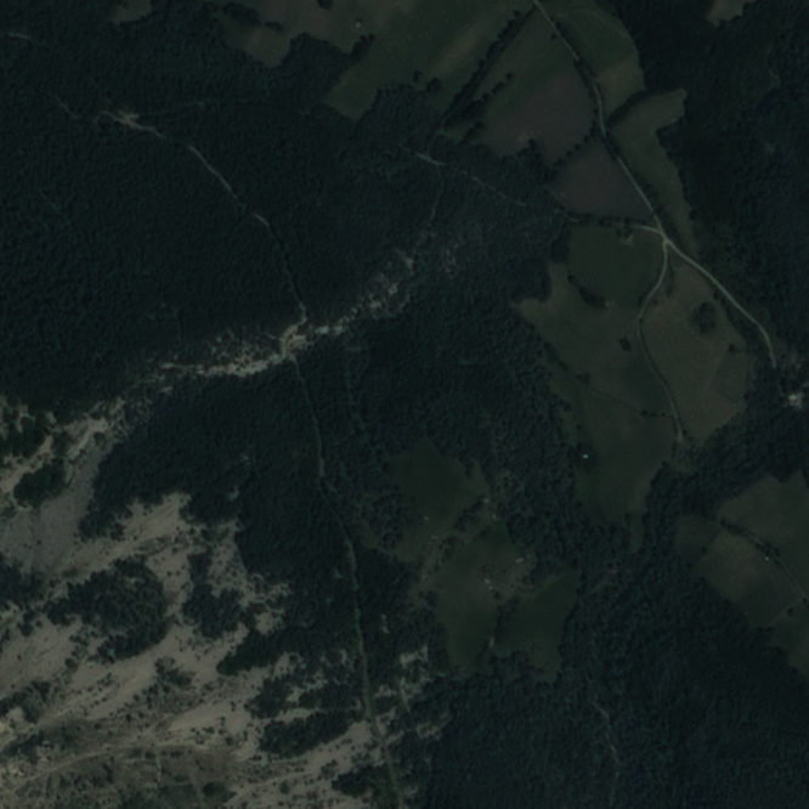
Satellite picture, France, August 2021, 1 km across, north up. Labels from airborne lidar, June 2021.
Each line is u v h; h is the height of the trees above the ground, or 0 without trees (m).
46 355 25
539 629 0
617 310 0
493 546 0
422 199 13
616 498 0
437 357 21
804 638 0
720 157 12
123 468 17
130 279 18
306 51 18
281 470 12
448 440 13
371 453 13
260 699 8
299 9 0
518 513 9
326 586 11
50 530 0
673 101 0
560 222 10
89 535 8
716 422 0
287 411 10
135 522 0
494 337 20
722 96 19
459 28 0
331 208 21
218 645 0
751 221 12
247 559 16
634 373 0
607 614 20
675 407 0
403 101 10
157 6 11
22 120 20
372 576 11
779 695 15
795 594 0
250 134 14
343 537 14
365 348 9
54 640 0
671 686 13
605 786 12
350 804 0
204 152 14
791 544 0
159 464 14
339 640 10
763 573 0
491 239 8
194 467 14
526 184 9
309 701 15
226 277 18
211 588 7
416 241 10
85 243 20
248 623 11
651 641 12
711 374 0
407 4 0
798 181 19
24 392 12
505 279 16
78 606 8
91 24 23
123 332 21
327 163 18
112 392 9
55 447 6
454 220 8
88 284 9
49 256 18
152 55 16
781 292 12
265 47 0
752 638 25
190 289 15
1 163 18
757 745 19
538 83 0
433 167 8
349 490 14
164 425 12
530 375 20
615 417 0
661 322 0
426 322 20
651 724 8
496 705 16
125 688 0
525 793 18
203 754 0
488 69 10
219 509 18
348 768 0
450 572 0
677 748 8
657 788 15
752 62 13
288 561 14
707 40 22
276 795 0
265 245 15
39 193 15
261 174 21
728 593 0
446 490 0
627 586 19
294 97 18
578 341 0
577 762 16
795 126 21
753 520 0
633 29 18
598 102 6
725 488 17
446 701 17
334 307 9
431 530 0
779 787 18
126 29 18
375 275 10
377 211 13
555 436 17
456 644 0
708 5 20
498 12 0
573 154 9
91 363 23
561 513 23
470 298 11
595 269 0
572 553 23
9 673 0
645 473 0
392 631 9
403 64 0
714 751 18
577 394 0
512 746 18
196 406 16
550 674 0
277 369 6
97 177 19
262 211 13
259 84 16
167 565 0
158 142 15
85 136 19
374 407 22
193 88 19
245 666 12
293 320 11
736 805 14
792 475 14
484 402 16
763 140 14
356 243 22
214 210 17
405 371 26
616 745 8
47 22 17
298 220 18
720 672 15
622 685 23
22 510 0
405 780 7
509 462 19
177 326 14
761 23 19
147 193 14
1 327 19
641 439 0
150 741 0
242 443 14
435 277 8
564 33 10
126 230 15
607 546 20
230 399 17
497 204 7
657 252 0
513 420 13
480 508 11
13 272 20
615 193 0
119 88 20
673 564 24
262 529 16
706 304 7
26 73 16
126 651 8
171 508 0
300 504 14
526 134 0
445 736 6
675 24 31
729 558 0
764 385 13
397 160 16
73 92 18
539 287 17
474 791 18
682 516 19
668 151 17
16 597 8
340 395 15
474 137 13
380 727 0
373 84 0
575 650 12
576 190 0
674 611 14
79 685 0
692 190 14
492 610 0
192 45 26
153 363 7
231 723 0
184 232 16
